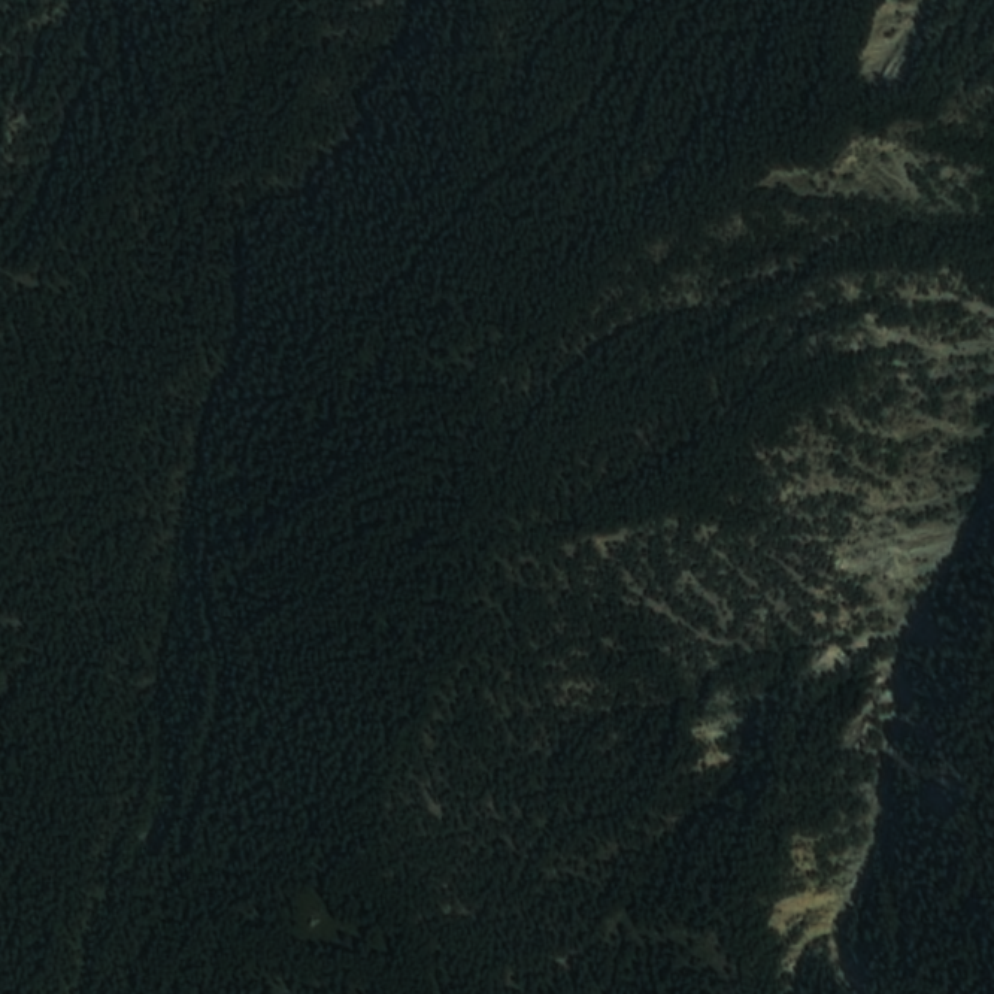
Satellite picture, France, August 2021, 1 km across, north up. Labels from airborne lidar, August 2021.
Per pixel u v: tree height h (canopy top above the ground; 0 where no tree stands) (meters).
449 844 24
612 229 26
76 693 25
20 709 29
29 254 16
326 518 37
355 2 19
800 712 12
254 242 33
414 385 16
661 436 16
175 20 23
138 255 9
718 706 6
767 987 15
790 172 10
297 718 10
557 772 30
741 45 31
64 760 33
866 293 8
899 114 11
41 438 22
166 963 19
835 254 21
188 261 29
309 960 27
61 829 32
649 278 20
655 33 28
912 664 15
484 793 19
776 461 15
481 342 14
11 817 29
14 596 21
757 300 23
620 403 27
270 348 18
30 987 25
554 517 13
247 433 31
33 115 17
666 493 25
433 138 32
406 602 25
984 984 15
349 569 22
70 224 26
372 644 24
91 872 14
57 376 23
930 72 16
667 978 19
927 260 12
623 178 23
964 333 11
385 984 25
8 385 24
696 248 13
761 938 22
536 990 34
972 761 8
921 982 28
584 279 30
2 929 26
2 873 24
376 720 22
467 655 19
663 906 20
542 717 24
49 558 24
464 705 23
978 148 16
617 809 32
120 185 24
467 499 26
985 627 20
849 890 0
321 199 29
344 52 17
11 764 31
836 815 20
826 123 24
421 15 28
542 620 23
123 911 21
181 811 14
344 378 21
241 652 25
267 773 21
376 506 30
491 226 28
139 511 15
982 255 16
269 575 26
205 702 14
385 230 28
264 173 21
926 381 14
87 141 23
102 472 31
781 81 25
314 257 29
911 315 13
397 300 22
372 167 29
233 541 23
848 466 17
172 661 24
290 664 24
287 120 25
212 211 14
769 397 21
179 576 14
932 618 17
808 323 12
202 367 22
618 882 13
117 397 29
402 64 27
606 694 8
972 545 23
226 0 15
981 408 15
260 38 22
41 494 18
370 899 29
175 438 23
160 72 23
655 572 8
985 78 19
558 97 13
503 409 21
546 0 25
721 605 8
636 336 22
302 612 29
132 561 23
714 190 14
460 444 23
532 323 31
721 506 17
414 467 31
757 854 27
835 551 8
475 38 17
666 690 20
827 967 7
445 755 18
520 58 10
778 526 11
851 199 9
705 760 12
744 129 35
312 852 23
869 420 9
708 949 0
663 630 10
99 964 28
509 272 31
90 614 22
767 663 27
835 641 13
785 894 9
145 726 21
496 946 27
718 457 23
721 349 21
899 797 16
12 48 15
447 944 28
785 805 15
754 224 14
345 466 31
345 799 21
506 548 22
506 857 29
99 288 21
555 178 30
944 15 12
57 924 24
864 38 13
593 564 12
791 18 23
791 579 7
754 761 16
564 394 28
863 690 29
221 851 34
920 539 0
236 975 13
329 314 21
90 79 25
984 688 12
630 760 20
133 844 9
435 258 34
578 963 22
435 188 27
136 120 16
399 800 20
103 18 22
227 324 27
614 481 17
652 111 34
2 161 17
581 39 26
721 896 21
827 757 22
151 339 27
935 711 11
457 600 20
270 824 28
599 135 11
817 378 17
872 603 14
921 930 12
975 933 22
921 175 18
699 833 31
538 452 28
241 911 18
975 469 7
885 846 7
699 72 31
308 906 0
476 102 22
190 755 22
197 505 20
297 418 16
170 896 24
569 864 10
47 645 29
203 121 20
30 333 22
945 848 27
